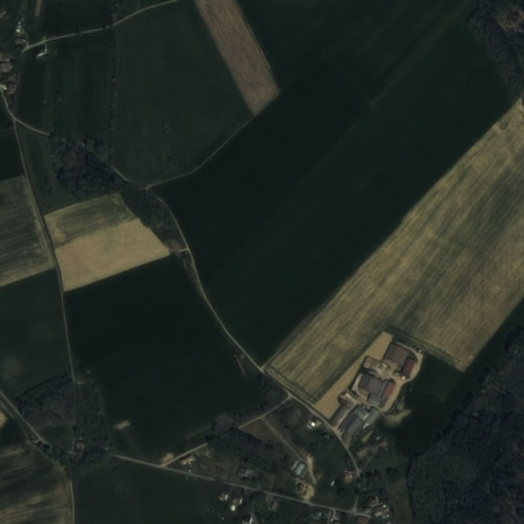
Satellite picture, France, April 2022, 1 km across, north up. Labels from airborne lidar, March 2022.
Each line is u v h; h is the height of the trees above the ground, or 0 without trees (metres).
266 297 0
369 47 0
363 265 0
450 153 0
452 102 0
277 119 0
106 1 0
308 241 0
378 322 0
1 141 0
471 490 22
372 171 0
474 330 0
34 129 0
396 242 0
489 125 0
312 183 0
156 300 0
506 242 0
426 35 0
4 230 0
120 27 0
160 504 0
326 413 0
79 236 0
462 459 22
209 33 0
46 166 0
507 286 0
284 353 0
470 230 0
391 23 0
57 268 0
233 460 0
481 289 0
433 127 0
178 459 0
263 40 0
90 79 0
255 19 0
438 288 0
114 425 0
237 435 21
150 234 0
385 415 0
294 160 0
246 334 0
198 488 0
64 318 0
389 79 0
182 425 0
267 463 23
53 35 0
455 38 0
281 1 0
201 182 0
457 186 0
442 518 23
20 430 0
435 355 0
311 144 0
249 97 0
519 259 0
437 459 19
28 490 0
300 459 0
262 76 0
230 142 0
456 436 22
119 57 0
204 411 0
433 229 0
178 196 0
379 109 0
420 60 0
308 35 0
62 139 12
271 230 0
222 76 0
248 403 0
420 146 0
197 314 0
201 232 0
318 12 0
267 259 0
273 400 21
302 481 0
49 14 0
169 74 0
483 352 0
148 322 0
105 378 0
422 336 0
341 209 0
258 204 0
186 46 0
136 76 0
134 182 0
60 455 21
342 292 0
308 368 0
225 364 0
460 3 0
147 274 0
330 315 0
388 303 0
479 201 0
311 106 0
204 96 0
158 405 0
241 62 0
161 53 0
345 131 0
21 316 0
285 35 0
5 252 0
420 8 0
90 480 0
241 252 0
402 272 0
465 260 0
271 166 0
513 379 14
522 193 0
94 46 0
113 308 0
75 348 0
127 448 0
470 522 30
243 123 0
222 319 0
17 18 0
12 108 12
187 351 0
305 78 0
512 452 24
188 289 0
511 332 0
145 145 0
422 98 0
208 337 0
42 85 0
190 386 0
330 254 0
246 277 0
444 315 0
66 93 0
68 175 23
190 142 0
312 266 0
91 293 0
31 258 0
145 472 0
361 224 0
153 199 13
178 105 0
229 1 0
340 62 0
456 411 0
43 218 0
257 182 0
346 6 0
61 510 0
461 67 0
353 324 0
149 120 0
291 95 0
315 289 0
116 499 0
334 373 0
